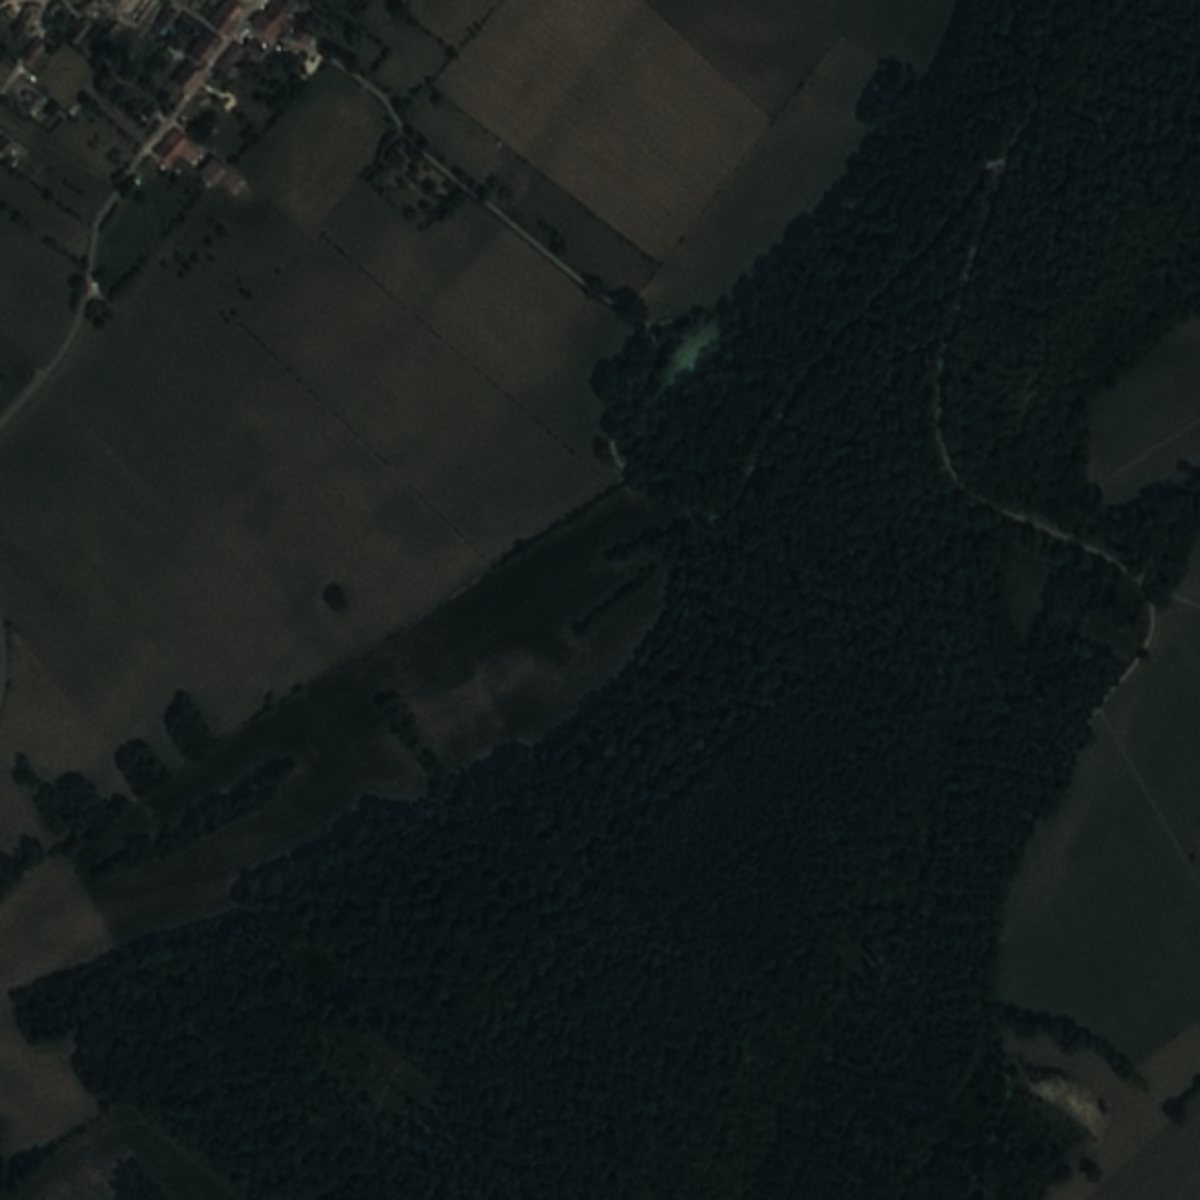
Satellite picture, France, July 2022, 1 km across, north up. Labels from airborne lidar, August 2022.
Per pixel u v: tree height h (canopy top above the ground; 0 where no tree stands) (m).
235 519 0
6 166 7
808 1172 18
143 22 0
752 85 0
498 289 0
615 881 14
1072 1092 0
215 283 0
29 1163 18
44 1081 0
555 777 18
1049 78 21
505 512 0
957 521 19
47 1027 12
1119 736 0
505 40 0
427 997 23
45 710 0
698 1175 15
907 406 15
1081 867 0
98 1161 0
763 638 17
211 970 21
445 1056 18
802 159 0
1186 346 0
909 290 19
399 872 29
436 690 0
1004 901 13
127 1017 20
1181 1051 0
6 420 0
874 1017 18
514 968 17
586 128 0
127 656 0
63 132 0
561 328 0
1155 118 14
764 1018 13
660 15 0
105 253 0
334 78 0
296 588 0
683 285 0
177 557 0
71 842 9
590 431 0
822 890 14
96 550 0
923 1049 17
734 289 0
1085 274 13
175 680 0
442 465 0
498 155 0
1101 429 0
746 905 14
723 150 0
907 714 12
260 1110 18
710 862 12
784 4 0
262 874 9
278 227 0
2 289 0
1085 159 15
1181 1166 0
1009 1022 22
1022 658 12
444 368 0
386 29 0
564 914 18
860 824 12
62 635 0
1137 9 16
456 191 12
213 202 0
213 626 0
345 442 0
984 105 21
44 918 0
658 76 0
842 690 14
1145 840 0
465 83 0
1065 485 23
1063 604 20
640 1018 18
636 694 20
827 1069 15
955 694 8
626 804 12
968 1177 24
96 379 0
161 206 0
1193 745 0
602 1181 17
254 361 0
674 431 20
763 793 13
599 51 0
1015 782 23
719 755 13
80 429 0
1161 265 15
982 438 15
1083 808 0
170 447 0
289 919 18
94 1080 22
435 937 23
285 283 0
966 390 12
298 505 0
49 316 0
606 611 6
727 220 0
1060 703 19
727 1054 17
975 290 9
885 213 23
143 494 0
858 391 14
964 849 22
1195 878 0
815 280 23
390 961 25
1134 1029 0
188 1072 18
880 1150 12
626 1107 17
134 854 9
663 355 10
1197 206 16
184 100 0
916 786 16
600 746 19
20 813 0
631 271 0
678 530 10
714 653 25
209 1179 0
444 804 15
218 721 0
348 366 0
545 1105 16
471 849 24
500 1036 16
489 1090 17
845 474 15
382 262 0
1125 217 14
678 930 17
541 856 21
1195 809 0
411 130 13
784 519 17
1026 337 13
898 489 15
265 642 0
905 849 21
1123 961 0
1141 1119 0
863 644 17
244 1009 18
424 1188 20
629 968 18
